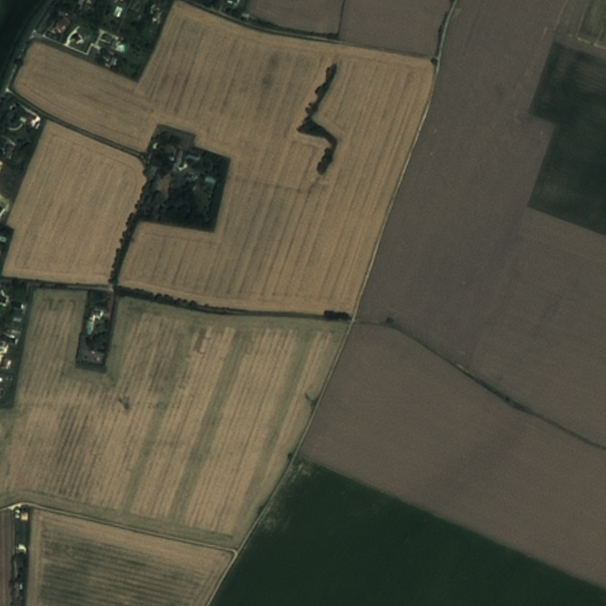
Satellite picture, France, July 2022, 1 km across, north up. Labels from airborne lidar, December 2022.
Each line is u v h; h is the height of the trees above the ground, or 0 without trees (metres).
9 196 0
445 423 0
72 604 0
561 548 0
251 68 0
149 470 0
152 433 0
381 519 0
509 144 0
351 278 0
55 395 0
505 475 0
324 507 0
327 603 0
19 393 0
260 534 0
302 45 0
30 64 0
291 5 0
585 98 0
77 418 0
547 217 0
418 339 0
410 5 0
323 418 0
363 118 0
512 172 0
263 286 0
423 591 0
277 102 0
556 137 0
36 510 0
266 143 0
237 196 0
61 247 0
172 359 0
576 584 0
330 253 0
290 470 0
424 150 0
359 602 0
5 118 14
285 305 0
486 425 0
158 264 0
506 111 0
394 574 0
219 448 0
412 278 0
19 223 0
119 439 0
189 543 0
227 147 0
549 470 0
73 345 0
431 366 0
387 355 0
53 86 0
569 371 0
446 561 0
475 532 0
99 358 0
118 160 0
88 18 6
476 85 0
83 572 0
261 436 0
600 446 0
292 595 0
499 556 0
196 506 0
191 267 0
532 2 0
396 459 0
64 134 0
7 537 0
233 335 0
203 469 0
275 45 0
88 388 0
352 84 0
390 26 0
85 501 0
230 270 0
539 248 0
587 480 0
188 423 0
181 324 0
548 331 0
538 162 0
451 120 0
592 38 0
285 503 0
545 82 0
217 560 0
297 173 0
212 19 0
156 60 0
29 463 0
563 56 0
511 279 0
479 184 0
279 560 0
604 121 0
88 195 0
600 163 0
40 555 0
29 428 0
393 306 0
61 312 0
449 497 0
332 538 0
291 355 0
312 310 0
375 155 0
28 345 0
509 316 0
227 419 0
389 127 0
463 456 0
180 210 14
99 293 6
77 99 0
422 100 0
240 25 0
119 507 0
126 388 0
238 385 0
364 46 0
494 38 0
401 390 0
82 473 0
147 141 0
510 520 0
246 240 0
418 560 0
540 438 0
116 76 0
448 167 0
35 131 17
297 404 0
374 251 0
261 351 0
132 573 0
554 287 0
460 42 0
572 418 0
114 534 0
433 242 0
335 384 0
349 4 0
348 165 0
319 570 0
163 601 0
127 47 0
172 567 0
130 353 0
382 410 0
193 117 0
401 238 0
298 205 0
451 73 0
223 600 0
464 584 0
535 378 0
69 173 0
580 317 0
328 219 0
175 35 0
